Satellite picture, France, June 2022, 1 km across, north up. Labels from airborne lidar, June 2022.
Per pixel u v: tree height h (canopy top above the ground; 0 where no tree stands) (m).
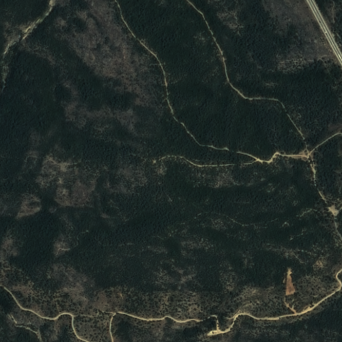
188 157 9
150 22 16
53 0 0
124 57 0
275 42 12
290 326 8
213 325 10
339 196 9
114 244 12
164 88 7
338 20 12
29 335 8
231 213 6
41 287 8
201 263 8
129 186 6
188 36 8
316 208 10
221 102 10
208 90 6
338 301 7
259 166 11
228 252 6
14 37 0
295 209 6
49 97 8
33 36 6
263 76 8
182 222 7
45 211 8
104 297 0
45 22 8
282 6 0
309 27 0
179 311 7
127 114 0
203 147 10
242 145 10
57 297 7
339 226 6
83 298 0
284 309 7
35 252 9
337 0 10
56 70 6
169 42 16
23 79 6
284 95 9
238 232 7
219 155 12
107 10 0
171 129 12
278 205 10
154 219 12
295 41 6
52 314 8
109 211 13
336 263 8
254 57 12
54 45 7
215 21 8
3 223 6
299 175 7
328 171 7
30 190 8
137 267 7
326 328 8
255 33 13
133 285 7
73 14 6
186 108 8
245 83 7
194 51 11
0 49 6
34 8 6
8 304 9
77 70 5
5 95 10
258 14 13
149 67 6
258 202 10
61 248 0
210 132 11
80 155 13
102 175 6
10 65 8
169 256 7
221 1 7
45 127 7
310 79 15
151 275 8
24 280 7
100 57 0
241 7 7
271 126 11
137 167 7
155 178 8
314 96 14
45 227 8
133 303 6
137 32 12
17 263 8
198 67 13
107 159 14
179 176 7
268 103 10
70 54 7
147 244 7
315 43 0
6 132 7
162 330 0
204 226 7
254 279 11
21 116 9
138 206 9
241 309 0
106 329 8
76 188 0
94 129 6
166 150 12
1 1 6
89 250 9
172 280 0
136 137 6
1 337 10
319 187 15
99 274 8
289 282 0
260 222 8
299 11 0
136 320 8
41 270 7
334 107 12
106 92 6
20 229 9
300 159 7
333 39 0
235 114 8
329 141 10
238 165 7
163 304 7
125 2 8
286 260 8
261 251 8
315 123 11
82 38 0
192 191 10
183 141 13
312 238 8
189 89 8
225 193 7
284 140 6
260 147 6
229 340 0
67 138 6
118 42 0
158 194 11
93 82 9
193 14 8
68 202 0
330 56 0
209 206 6
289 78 6
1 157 8
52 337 0
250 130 12
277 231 7
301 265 6
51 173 0
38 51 10
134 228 12
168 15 11
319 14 0
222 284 7
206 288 6
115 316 7
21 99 7
